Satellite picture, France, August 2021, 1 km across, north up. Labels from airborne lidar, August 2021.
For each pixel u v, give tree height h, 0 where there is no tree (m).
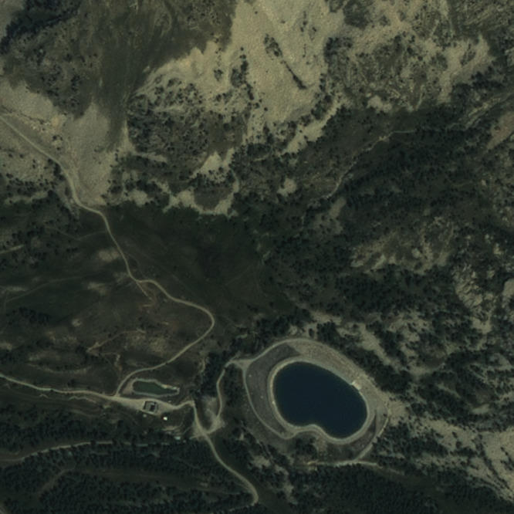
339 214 0
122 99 0
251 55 0
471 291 0
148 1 0
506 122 0
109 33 0
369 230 0
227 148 0
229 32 0
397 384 10
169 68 0
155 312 0
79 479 13
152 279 0
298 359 0
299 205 14
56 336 0
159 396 0
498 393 7
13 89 0
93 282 0
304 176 0
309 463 0
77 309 0
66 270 0
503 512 10
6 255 0
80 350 10
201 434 0
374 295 8
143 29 0
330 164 0
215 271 0
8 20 0
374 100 0
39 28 8
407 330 0
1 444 13
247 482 0
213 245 0
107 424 0
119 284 0
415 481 0
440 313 7
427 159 8
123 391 0
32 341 0
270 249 0
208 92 0
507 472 0
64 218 0
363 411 0
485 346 0
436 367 0
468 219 0
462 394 14
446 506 0
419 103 0
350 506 0
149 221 0
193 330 0
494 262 7
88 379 0
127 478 0
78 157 0
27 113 0
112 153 0
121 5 0
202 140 8
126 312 0
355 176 0
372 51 0
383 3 0
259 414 0
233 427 0
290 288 7
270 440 0
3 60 0
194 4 0
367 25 0
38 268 11
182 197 0
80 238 0
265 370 0
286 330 10
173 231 0
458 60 0
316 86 0
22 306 0
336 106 0
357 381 0
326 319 0
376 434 0
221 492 0
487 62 0
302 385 0
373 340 0
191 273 0
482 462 0
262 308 0
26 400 0
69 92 0
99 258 0
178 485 0
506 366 0
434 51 0
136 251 0
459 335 10
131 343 0
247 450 15
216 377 9
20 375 0
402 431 11
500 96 0
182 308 0
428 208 0
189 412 0
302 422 0
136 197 0
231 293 0
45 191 7
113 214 0
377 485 10
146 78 0
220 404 0
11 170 0
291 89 0
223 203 0
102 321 0
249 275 0
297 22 0
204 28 0
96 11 0
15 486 18
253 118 0
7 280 0
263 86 0
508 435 0
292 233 0
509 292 0
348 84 0
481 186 0
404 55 0
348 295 15
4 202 0
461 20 0
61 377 0
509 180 0
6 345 0
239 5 0
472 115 0
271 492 0
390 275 11
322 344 0
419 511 12
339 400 0
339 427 0
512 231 0
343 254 11
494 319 0
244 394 0
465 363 6
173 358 0
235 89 0
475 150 8
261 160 0
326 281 8
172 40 0
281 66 0
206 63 0
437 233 0
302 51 0
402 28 0
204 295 0
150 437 14
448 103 0
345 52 0
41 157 0
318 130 0
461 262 9
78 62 0
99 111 0
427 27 0
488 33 0
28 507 0
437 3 0
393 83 0
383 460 10
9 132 0
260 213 0
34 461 13
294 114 0
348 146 0
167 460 18
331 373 0
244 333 13
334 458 0
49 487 0
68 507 17
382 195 15
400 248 0
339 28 0
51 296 0
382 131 0
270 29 0
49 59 0
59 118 0
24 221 0
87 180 0
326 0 0
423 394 12
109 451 13
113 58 0
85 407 0
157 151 0
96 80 0
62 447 0
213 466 7
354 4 0
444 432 0
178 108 0
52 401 0
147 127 13
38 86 0
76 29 0
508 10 0
